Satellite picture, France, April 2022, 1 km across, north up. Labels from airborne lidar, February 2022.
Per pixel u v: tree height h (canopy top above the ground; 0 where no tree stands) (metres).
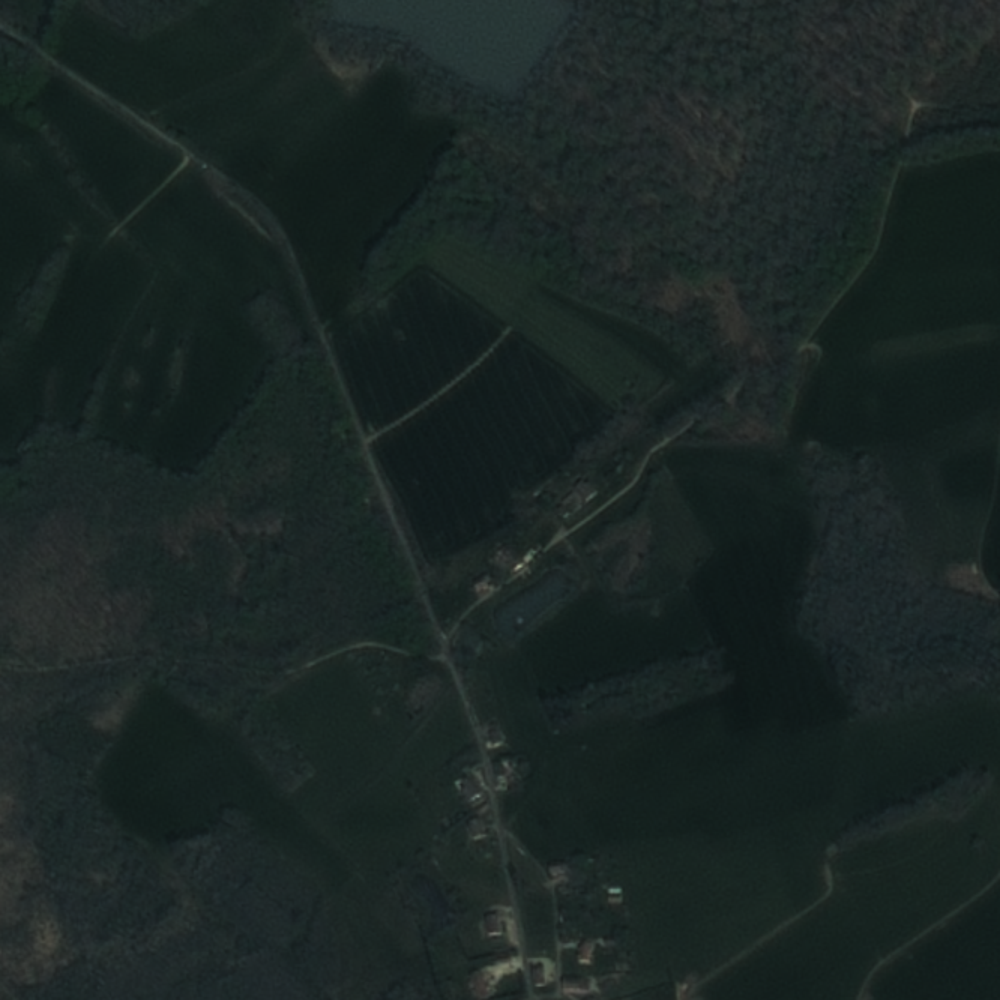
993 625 22
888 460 0
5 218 0
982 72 8
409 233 21
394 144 0
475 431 0
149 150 0
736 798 0
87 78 0
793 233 23
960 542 0
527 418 0
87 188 6
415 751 0
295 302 0
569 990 0
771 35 23
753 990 0
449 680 0
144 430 0
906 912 0
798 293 25
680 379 0
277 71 0
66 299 0
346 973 0
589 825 0
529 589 0
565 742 0
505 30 0
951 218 0
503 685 0
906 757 0
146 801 0
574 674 0
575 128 26
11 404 0
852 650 19
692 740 0
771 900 0
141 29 19
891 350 0
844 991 0
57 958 0
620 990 0
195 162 0
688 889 0
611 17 23
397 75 0
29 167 0
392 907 0
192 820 0
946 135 22
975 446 0
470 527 0
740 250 22
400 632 21
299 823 0
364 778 0
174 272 0
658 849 0
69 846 22
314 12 19
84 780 13
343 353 0
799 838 0
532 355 0
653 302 24
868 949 0
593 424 0
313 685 0
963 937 0
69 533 0
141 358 0
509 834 0
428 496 0
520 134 29
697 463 0
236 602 17
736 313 0
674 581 0
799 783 0
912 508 0
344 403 19
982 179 0
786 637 0
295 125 0
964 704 0
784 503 0
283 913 23
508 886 0
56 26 19
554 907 0
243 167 0
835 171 25
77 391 0
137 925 12
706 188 22
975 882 0
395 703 0
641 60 25
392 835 0
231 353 0
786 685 0
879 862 0
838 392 0
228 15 0
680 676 0
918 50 26
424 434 0
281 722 12
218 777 0
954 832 0
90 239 0
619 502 0
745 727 0
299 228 0
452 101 21
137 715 0
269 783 0
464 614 0
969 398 0
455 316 0
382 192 0
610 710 11
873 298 0
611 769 0
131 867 16
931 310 0
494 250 25
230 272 0
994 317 0
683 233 29
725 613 0
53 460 18
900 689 12
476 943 0
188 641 19
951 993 0
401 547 23
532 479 0
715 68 24
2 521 0
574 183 29
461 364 0
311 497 19
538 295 0
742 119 23
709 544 0
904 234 0
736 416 25
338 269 0
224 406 0
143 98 0
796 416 0
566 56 14
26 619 0
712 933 0
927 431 0
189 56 0
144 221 0
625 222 23
